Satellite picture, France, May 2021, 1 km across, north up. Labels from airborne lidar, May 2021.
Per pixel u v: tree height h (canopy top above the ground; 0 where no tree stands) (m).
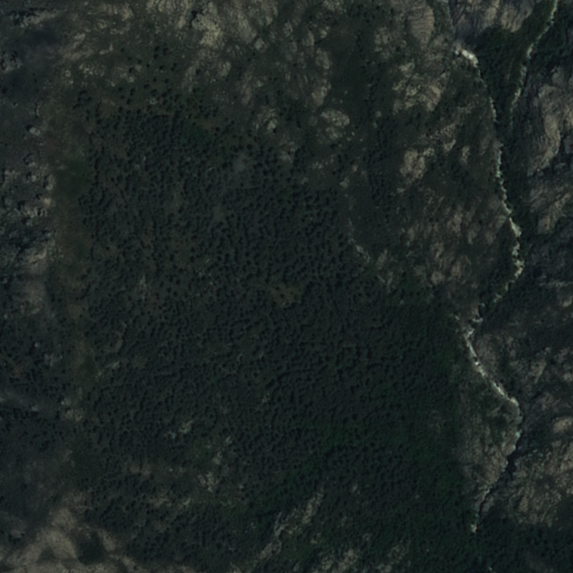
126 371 25
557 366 22
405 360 15
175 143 19
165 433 17
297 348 23
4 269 12
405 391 14
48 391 12
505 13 0
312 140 6
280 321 21
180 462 20
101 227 16
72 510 0
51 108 0
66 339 9
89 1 0
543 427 6
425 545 22
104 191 16
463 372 9
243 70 10
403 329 13
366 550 18
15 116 0
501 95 13
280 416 25
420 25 0
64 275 0
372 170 12
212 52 0
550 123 0
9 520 0
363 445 7
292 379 30
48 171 0
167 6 0
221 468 13
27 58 0
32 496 0
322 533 10
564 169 9
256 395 19
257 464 17
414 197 12
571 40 0
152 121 19
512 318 11
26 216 16
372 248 7
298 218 20
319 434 19
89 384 0
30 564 0
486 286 23
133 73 19
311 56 0
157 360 23
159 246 25
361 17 17
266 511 8
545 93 0
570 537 8
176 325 22
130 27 0
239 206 21
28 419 12
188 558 13
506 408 12
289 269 24
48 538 0
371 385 29
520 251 11
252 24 0
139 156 22
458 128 11
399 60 9
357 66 6
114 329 14
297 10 0
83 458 7
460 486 8
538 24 6
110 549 0
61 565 0
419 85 6
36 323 6
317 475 12
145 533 13
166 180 16
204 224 20
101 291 25
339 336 27
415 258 7
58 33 0
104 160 23
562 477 0
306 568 7
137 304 21
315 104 0
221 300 20
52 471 0
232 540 14
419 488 17
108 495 15
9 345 6
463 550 19
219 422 24
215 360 24
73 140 0
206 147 19
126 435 19
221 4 0
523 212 12
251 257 23
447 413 9
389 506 18
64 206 0
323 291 25
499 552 21
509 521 14
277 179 12
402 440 24
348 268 20
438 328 9
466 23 0
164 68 15
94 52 0
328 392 22
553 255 10
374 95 17
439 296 24
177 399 19
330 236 14
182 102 10
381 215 6
